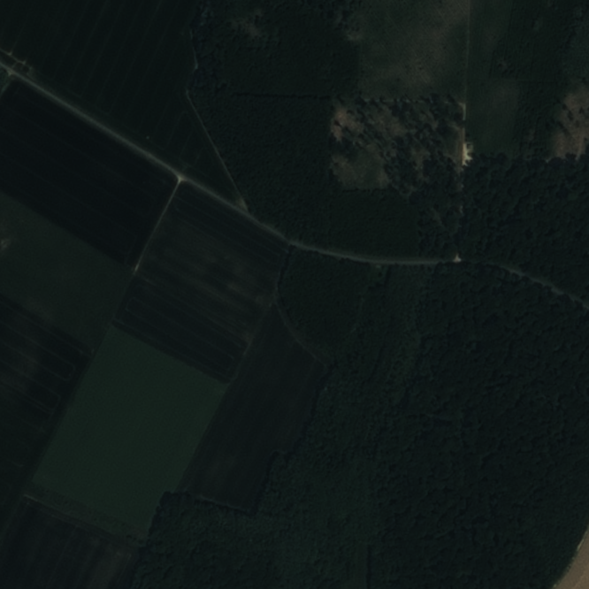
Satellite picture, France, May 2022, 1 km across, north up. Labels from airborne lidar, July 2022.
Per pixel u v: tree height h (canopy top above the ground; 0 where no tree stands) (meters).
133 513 0
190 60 0
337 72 8
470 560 30
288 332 0
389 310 19
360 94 8
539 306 30
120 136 0
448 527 28
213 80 29
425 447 30
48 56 0
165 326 0
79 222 0
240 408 0
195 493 0
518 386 29
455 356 30
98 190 0
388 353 12
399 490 27
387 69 0
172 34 0
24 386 0
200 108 17
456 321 28
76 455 0
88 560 0
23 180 0
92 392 0
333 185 28
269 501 20
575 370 33
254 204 17
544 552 15
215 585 22
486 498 30
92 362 0
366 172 0
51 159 0
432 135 28
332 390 24
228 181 0
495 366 30
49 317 0
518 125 5
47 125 0
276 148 20
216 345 0
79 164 0
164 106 0
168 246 0
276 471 22
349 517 19
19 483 0
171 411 0
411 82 0
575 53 21
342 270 15
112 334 0
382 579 15
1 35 0
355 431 13
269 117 21
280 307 0
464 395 27
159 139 0
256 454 0
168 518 23
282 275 11
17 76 0
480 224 29
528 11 7
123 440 0
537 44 8
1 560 0
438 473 33
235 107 21
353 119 29
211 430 0
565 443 29
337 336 17
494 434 27
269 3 7
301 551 22
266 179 18
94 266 0
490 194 23
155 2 0
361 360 19
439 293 23
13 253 0
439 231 21
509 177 28
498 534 32
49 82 0
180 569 20
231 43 8
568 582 0
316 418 18
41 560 0
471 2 0
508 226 29
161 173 0
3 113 0
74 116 0
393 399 16
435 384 26
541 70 9
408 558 25
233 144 21
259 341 0
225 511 19
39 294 0
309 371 0
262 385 0
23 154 0
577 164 30
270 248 0
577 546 12
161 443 0
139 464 0
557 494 18
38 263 0
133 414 0
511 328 29
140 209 0
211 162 0
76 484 0
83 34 0
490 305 28
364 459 22
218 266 0
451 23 0
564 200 27
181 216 0
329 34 8
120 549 0
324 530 14
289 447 0
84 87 0
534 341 30
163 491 0
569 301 25
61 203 0
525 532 19
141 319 0
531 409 30
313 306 14
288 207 19
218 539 21
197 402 0
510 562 28
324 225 16
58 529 0
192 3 0
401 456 28
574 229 25
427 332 21
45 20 0
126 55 0
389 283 16
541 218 29
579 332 30
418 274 9
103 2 0
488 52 0
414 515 24
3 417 0
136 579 15
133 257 0
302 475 20
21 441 0
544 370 24
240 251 0
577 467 23
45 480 0
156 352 0
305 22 9
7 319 0
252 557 20
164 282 0
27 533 0
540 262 28
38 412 0
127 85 0
